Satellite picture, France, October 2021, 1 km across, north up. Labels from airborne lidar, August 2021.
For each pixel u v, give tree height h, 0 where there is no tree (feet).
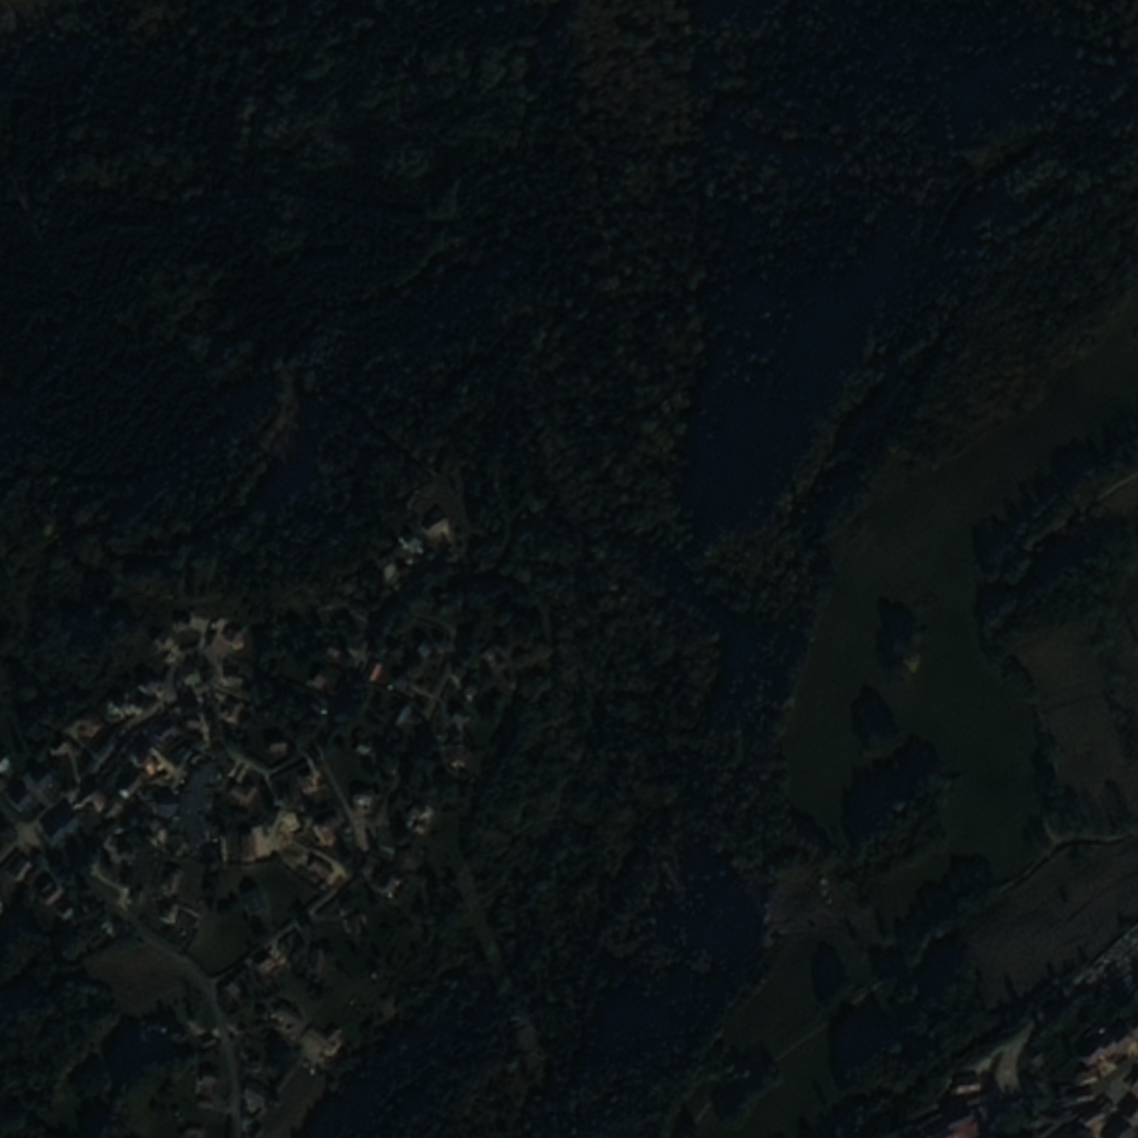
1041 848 57
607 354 94
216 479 83
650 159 97
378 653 42
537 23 73
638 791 93
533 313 75
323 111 66
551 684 30
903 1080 73
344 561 46
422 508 0
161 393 85
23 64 61
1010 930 0
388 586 30
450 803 52
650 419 89
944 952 0
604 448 89
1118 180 84
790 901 0
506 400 51
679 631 104
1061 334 74
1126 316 0
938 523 0
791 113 54
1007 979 0
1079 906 0
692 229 103
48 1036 61
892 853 67
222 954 0
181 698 0
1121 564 86
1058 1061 0
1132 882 0
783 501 82
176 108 77
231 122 58
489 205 91
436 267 52
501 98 79
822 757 0
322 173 43
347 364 78
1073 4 79
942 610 0
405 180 55
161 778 0
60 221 63
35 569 26
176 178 83
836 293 101
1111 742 0
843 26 109
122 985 0
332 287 75
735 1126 53
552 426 91
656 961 74
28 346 53
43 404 72
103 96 82
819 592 86
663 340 111
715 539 67
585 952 110
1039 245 81
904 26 79
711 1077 41
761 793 86
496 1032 60
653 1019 91
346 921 0
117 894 0
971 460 0
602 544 83
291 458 77
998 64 60
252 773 0
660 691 93
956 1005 84
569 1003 93
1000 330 74
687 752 89
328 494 83
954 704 0
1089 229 74
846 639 0
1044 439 0
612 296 74
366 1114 98
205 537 30
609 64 73
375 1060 46
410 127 72
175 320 54
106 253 72
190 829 0
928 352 51
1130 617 0
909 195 107
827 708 0
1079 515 41
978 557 0
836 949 0
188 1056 53
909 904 0
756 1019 0
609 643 47
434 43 54
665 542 98
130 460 72
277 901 0
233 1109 0
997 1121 52
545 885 87
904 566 0
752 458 116
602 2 64
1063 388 0
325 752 37
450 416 68
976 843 0
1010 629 66
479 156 48
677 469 86
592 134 81
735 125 61
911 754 0
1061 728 0
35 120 50
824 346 85
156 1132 0
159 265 70
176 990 0
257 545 59
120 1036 0
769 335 103
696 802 118
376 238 72
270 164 54
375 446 57
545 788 52
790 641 87
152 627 0
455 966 31
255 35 21
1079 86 112
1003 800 0
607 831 96
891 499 0
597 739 37
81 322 76
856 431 75
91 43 38
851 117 78
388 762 53
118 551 45
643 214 91
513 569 45
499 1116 124
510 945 86
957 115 89
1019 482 0
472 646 45
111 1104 63
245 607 44
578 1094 99
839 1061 0
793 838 78
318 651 53
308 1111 0
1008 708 0
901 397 74
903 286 97
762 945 69
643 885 97
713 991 60
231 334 21
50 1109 57
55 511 43
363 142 54
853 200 108
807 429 86
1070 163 97
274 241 80
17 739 0
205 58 24
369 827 0
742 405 102
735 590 88
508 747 62
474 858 57
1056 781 58
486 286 104
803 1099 0
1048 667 0
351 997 0
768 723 91
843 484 22
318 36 82
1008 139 84
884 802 58
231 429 21
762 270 112
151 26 70
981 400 45
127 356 40
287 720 40
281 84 64
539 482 73
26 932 64
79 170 68
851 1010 0
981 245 96
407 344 88
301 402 70
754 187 102
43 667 26
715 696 111
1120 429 0
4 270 57
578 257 95
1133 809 0
